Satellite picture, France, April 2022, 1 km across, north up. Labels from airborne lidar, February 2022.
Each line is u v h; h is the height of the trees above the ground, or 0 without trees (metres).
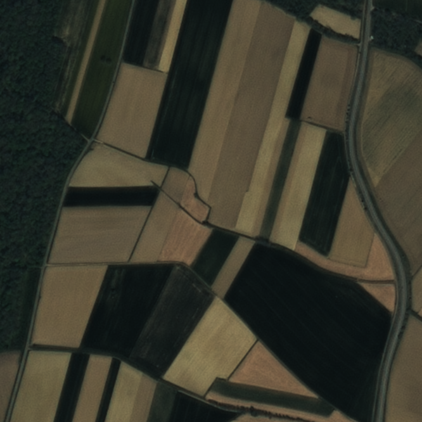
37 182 30
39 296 0
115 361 0
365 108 0
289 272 0
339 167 0
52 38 22
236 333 0
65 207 0
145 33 0
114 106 0
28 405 0
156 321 0
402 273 0
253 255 0
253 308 0
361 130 0
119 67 0
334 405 0
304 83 0
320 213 0
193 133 0
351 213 0
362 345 0
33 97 32
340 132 0
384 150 0
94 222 0
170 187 0
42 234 31
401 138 0
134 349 0
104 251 0
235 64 0
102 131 0
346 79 0
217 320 0
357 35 0
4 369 0
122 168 0
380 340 0
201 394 0
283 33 0
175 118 0
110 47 0
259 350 0
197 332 0
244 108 0
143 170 0
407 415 0
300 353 0
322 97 0
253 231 0
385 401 0
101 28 0
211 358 0
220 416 0
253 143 0
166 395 0
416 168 0
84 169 0
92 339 0
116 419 0
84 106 0
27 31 30
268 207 0
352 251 0
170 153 0
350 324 0
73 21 0
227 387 0
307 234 0
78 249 0
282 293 0
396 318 0
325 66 0
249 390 0
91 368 0
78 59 0
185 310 0
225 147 0
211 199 0
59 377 0
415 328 0
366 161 0
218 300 0
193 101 0
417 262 0
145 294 0
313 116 0
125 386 0
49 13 28
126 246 0
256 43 0
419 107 0
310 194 0
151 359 0
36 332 0
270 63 0
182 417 0
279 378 0
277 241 0
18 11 30
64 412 0
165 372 0
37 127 28
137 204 0
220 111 0
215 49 0
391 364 0
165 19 0
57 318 0
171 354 0
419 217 0
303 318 0
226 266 0
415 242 0
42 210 34
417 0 0
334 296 0
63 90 0
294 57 0
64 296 0
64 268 0
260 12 0
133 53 0
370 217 0
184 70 0
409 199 0
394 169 0
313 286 0
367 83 0
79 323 0
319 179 0
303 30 0
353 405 0
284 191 0
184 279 0
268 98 0
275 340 0
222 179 0
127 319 0
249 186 0
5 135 28
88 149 0
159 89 0
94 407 0
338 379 0
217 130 0
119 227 0
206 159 0
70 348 0
